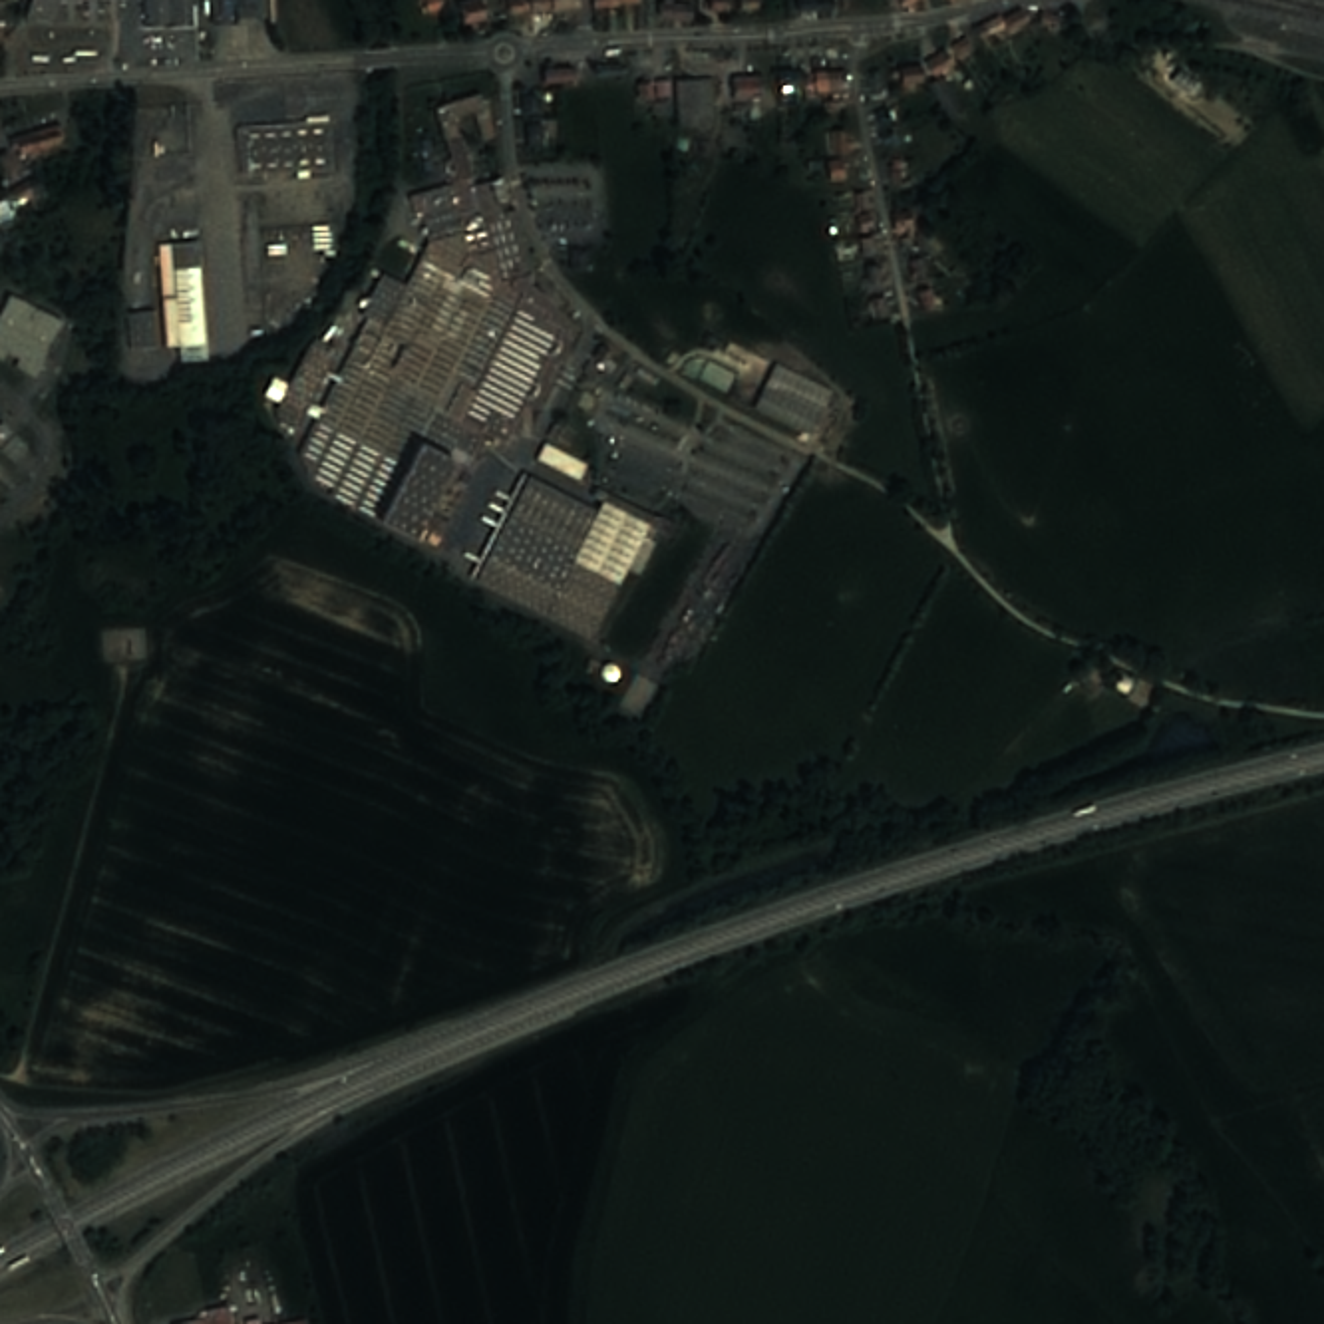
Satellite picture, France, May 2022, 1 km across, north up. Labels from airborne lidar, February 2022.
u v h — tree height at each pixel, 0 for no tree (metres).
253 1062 0
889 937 0
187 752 0
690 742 0
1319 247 0
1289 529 0
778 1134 0
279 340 15
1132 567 0
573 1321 0
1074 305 0
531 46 0
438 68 0
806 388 0
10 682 0
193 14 0
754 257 0
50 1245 0
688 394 0
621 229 0
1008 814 15
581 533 0
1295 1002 0
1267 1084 0
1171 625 0
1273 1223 0
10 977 0
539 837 0
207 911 0
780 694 0
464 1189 0
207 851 0
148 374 0
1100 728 0
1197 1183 17
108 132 11
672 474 0
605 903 0
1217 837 0
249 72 0
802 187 0
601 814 0
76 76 0
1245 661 0
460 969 0
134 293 0
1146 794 0
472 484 0
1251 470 0
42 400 0
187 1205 0
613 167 0
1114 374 0
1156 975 0
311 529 0
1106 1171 15
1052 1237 0
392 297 0
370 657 0
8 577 0
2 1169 0
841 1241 0
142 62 0
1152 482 0
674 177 13
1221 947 0
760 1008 0
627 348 0
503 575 0
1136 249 0
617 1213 0
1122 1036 0
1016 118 0
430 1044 0
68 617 0
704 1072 0
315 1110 0
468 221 0
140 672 0
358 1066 0
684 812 19
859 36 0
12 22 0
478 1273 0
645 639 0
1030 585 0
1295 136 0
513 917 0
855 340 0
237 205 0
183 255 0
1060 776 17
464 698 0
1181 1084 0
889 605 0
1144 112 0
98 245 0
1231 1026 0
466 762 0
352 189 0
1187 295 0
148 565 0
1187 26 8
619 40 0
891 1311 0
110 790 0
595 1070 0
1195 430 0
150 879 0
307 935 0
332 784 0
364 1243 0
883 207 0
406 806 0
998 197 0
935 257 0
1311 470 0
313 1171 0
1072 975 0
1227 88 0
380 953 0
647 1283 0
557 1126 0
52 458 0
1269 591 0
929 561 0
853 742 7
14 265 15
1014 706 0
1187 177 0
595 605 0
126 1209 0
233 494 23
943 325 0
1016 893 0
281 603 0
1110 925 0
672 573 0
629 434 0
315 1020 0
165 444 0
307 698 0
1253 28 0
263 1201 0
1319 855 0
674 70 0
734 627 0
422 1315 0
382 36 12
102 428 0
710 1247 0
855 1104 0
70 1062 0
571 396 0
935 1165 0
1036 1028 0
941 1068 0
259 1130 0
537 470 0
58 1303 0
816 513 0
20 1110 0
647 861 0
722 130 0
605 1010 0
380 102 7
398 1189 0
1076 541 0
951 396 0
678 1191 0
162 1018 0
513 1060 0
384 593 0
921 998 0
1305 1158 0
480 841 0
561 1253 0
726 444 0
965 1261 0
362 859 0
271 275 0
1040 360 0
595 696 15
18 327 0
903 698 0
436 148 0
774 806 14
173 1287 0
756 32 0
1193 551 0
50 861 0
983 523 0
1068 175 0
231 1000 0
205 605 0
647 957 0
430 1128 0
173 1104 0
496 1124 0
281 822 0
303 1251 0
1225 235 0
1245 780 0
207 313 0
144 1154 0
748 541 0
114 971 0
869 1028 0
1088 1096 24
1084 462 0
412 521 0
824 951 0
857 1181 0
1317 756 0
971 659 0
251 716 0
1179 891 0
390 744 0
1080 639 6
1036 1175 0
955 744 0
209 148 0
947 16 0
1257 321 0
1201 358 0
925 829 13
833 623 0
